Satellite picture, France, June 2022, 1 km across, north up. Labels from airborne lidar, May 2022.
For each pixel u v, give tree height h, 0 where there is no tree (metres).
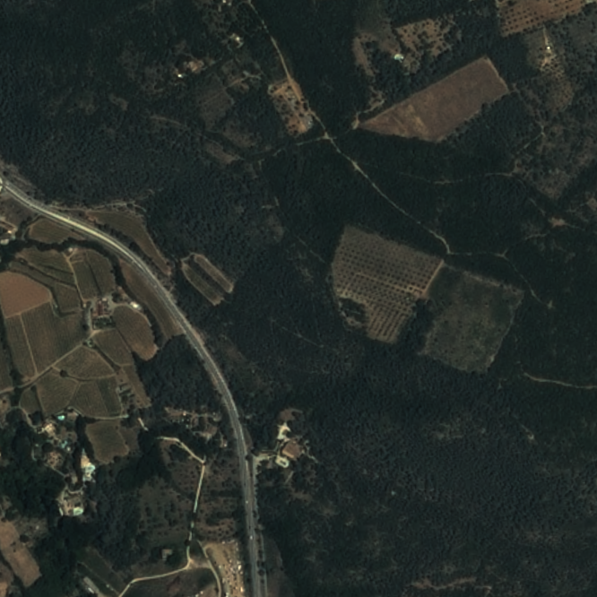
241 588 0
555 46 0
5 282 0
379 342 10
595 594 6
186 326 0
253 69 11
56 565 11
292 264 8
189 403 13
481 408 11
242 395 13
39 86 8
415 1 10
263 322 6
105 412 0
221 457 10
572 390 6
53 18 6
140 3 6
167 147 13
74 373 0
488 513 10
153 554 9
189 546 11
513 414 12
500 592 7
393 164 6
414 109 0
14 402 7
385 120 0
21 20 6
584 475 10
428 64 13
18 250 18
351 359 6
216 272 0
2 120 6
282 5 6
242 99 10
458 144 10
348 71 6
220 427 8
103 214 0
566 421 5
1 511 5
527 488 13
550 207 6
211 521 8
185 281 5
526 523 8
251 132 7
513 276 6
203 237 9
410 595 7
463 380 10
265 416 16
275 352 9
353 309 11
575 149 7
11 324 0
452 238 7
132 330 0
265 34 7
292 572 10
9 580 0
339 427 5
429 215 6
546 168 7
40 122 10
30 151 6
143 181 11
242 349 7
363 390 12
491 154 7
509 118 11
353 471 6
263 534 7
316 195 9
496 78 0
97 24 6
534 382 8
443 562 10
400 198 8
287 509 7
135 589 0
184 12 8
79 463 9
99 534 13
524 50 11
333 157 7
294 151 11
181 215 8
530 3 0
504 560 6
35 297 0
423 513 11
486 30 11
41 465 15
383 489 9
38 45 6
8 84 13
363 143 6
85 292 0
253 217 14
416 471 12
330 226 7
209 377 8
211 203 11
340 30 6
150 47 7
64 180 9
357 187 6
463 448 11
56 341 0
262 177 6
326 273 7
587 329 5
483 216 7
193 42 8
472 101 0
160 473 14
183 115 7
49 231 0
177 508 7
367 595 7
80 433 13
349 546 6
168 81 6
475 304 0
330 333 9
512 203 12
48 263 0
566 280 6
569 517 10
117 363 0
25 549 0
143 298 0
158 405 9
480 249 6
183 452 13
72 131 6
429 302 7
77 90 5
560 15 0
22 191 0
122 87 6
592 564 8
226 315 5
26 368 0
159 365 17
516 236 6
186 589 0
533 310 10
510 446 10
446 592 8
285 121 11
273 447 18
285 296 11
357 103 6
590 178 6
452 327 0
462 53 14
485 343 0
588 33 0
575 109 7
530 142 6
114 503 11
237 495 9
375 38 0
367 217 10
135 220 0
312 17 6
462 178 5
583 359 5
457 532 10
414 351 11
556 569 8
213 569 0
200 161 13
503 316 0
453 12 10
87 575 8
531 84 8
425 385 7
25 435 19
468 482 12
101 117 6
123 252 0
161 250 6
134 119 9
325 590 8
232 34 8
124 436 0
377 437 10
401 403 6
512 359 6
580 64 9
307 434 12
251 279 8
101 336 0
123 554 11
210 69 6
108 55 7
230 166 7
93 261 0
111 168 12
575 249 6
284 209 6
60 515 32
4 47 7
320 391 7
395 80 7
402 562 6
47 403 0
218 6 8
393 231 6
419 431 11
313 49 7
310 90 6
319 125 7
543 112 8
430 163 6
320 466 7
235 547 0
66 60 6
